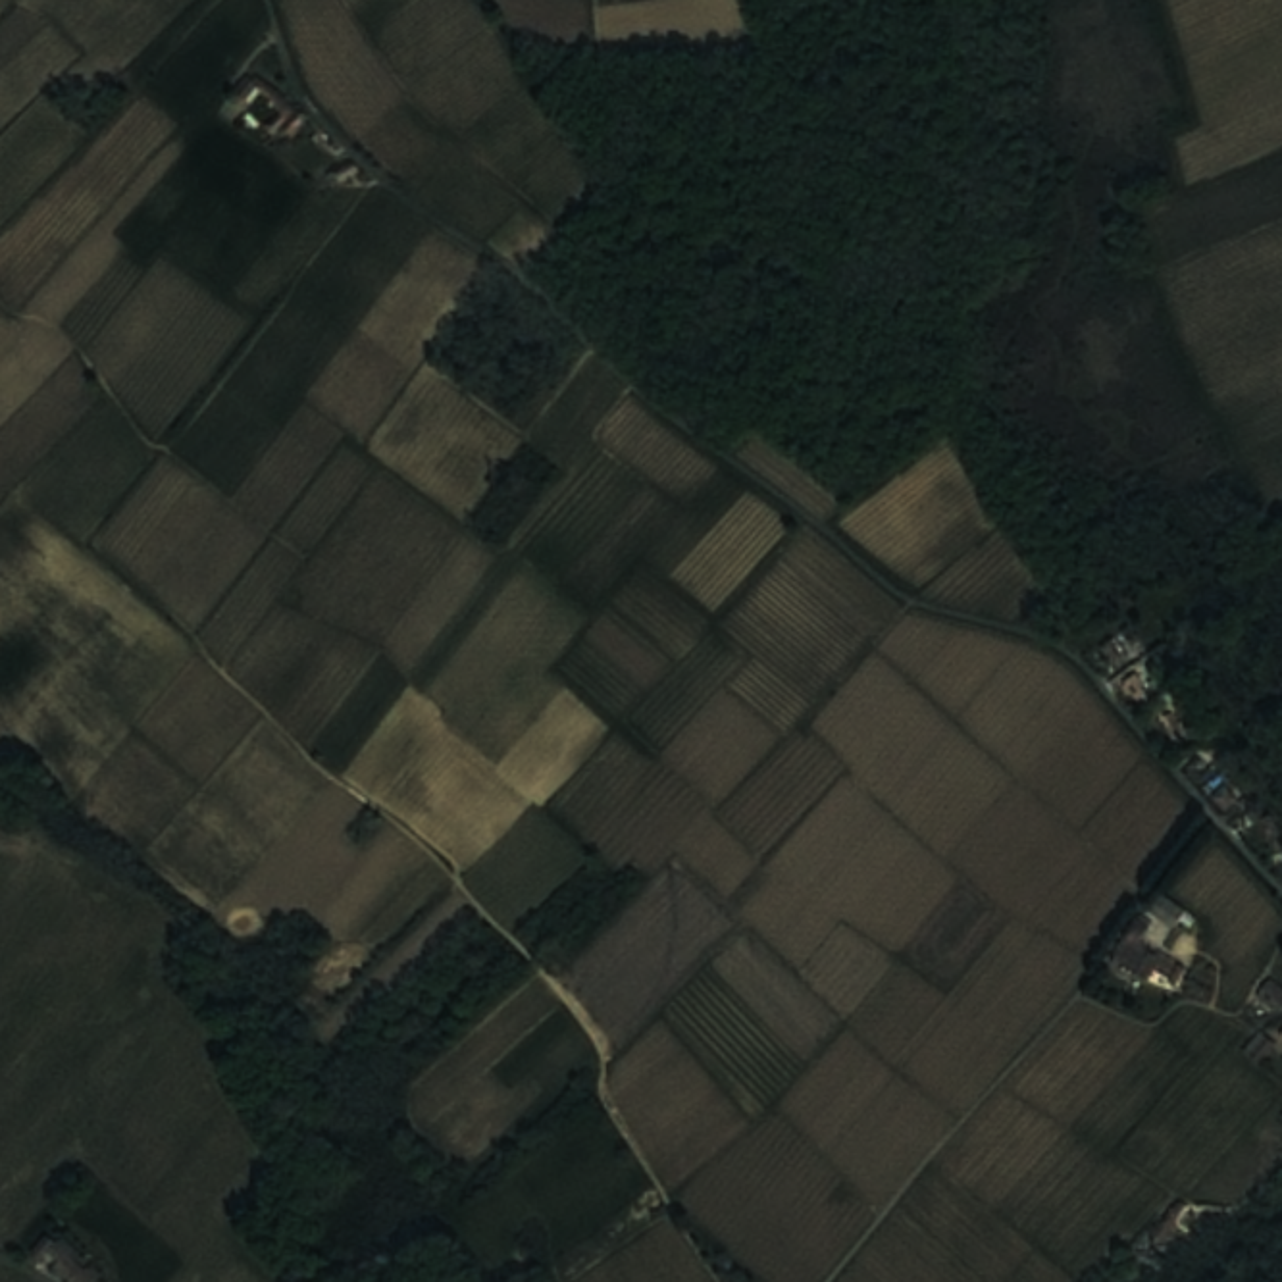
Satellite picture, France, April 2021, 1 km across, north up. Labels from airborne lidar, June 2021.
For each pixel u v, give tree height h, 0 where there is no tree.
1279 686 18
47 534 0
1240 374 0
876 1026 0
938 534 0
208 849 0
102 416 0
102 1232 0
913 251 25
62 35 0
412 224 0
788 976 0
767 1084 0
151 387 0
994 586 0
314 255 0
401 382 0
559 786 0
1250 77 0
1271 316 0
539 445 0
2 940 0
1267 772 19
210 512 0
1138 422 0
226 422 0
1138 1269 19
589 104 19
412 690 0
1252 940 0
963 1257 0
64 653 0
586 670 0
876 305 26
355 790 0
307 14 0
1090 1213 0
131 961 0
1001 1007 0
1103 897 0
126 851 22
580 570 0
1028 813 0
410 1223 6
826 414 22
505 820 0
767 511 0
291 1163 21
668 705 0
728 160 21
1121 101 0
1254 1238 11
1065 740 0
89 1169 8
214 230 0
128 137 0
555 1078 0
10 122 0
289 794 0
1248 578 22
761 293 20
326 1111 18
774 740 0
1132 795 0
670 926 0
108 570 0
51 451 0
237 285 0
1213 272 0
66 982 0
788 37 21
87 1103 0
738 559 0
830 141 22
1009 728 0
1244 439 0
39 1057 0
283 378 0
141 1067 0
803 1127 0
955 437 17
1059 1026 0
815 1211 0
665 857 0
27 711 0
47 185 0
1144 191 17
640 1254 0
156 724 0
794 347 25
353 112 0
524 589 0
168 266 0
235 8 0
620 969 0
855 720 0
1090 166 0
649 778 0
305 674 0
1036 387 7
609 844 0
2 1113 0
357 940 0
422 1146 17
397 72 0
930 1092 0
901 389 25
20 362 0
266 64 0
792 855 0
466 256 0
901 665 0
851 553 0
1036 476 20
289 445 0
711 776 0
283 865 0
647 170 27
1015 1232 0
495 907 0
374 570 0
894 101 24
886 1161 0
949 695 0
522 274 15
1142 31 0
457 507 0
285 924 14
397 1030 16
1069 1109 0
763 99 24
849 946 0
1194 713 22
